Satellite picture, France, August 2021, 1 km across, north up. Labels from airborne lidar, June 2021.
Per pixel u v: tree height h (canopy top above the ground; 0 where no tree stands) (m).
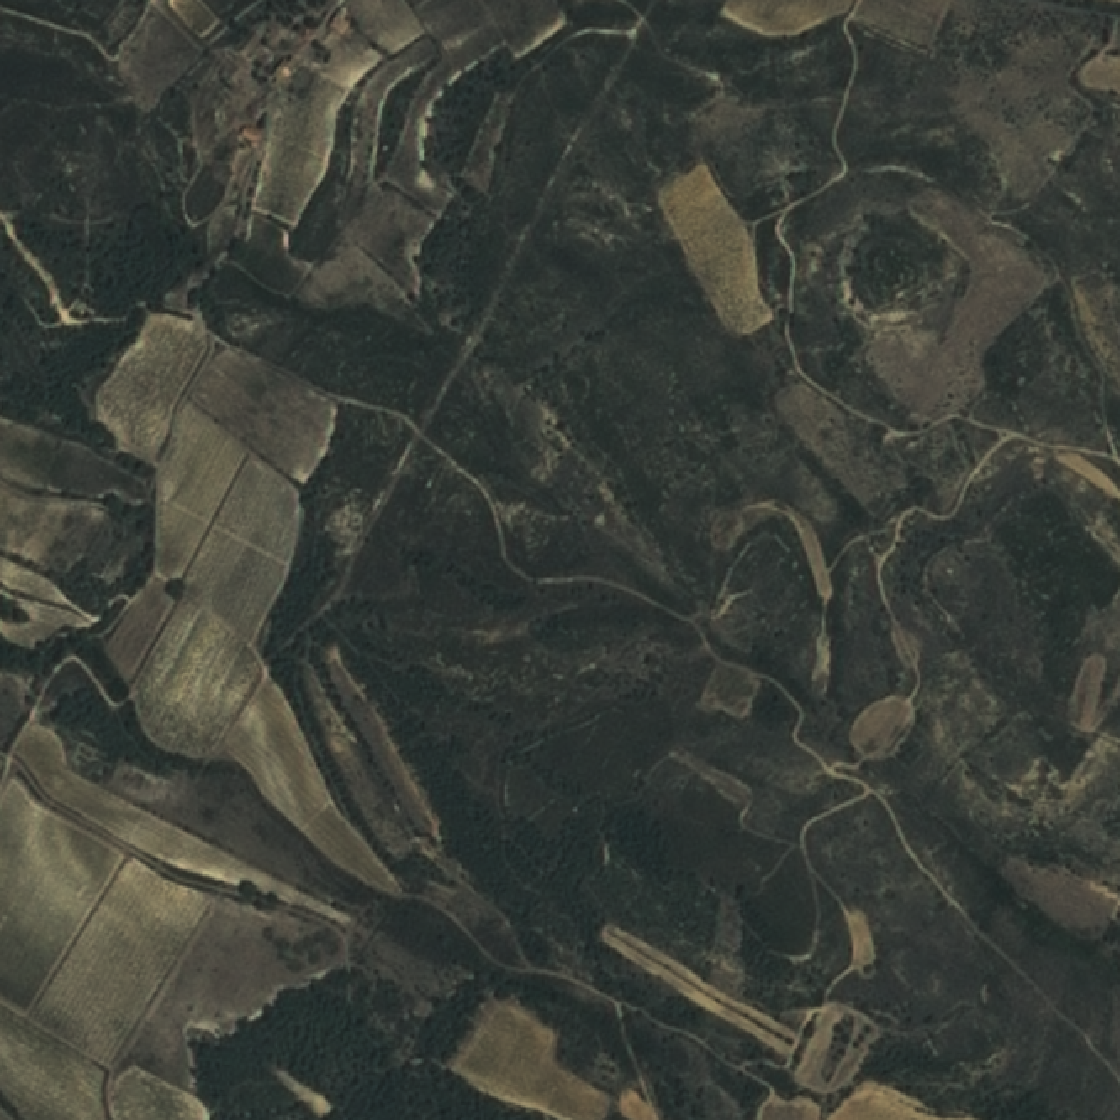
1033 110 0
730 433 0
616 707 0
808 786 0
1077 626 0
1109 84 0
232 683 0
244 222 0
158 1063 0
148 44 0
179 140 0
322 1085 9
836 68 0
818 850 0
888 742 0
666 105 0
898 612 0
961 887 0
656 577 0
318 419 0
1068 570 0
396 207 0
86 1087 0
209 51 5
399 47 0
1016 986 0
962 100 0
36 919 0
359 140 0
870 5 0
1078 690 0
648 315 0
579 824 6
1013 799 0
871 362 0
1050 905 0
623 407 0
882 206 0
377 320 0
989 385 0
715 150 0
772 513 0
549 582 0
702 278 0
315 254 0
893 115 0
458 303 8
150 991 0
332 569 8
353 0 0
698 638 0
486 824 8
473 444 0
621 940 0
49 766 0
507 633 0
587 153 0
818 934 0
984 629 0
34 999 0
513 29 0
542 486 0
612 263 0
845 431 0
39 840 0
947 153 0
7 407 10
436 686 8
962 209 0
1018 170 0
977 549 0
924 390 0
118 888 0
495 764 0
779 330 0
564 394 0
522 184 0
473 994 6
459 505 0
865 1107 0
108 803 0
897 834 0
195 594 0
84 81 0
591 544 0
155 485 0
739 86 0
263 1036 9
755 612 0
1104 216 0
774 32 0
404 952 0
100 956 0
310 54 0
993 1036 0
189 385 0
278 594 0
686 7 0
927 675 0
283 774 0
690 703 0
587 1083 0
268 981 0
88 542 0
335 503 0
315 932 0
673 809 0
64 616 0
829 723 0
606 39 0
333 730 0
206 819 0
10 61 0
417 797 0
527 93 0
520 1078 0
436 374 0
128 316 7
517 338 0
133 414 0
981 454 0
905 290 0
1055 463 0
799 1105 0
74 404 9
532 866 8
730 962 0
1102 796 0
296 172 0
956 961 0
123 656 0
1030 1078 0
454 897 0
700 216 0
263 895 8
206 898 0
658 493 0
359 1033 9
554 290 0
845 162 0
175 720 0
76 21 0
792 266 0
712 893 6
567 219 0
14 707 0
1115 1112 0
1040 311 0
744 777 0
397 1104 11
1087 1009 0
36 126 0
